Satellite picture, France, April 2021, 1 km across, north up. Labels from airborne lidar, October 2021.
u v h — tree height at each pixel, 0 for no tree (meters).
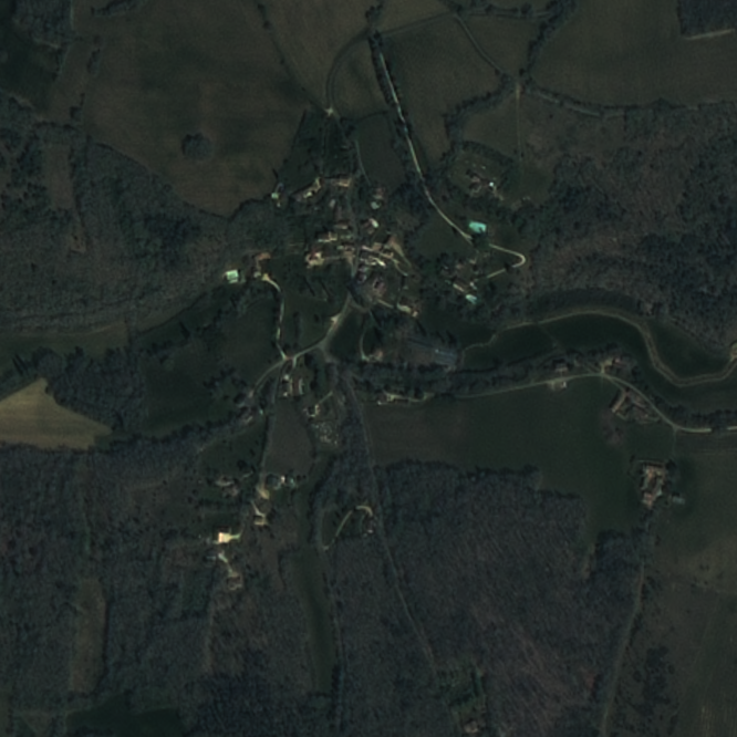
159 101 0
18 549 14
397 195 8
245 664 13
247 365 0
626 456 0
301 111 0
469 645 17
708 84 0
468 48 0
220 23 0
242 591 0
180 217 15
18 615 7
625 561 24
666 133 10
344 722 12
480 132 0
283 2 0
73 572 19
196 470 10
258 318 0
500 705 20
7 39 0
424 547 22
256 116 0
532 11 16
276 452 0
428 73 0
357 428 13
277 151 0
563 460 0
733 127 9
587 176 10
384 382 5
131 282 7
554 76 0
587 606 20
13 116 20
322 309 0
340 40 0
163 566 12
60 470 14
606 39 0
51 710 17
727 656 0
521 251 0
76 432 0
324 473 0
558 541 17
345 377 17
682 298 6
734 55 0
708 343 11
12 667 9
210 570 8
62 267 13
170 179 0
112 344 0
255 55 0
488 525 24
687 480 0
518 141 0
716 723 0
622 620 20
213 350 9
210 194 0
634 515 0
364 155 0
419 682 18
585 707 22
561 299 7
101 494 17
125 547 9
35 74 0
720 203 11
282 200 15
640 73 0
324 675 0
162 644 21
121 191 14
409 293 0
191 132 0
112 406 13
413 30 0
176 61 0
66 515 8
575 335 0
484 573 23
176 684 23
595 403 0
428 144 0
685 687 0
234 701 19
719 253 15
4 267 9
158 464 16
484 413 0
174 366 15
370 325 11
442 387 18
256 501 12
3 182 0
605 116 8
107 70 0
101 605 0
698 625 0
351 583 13
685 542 0
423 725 11
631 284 14
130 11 10
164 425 0
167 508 0
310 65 0
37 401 0
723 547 0
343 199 11
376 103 0
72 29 8
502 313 14
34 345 0
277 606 16
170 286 12
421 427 0
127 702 14
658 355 0
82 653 0
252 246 10
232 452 7
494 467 0
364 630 18
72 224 13
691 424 8
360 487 16
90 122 0
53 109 0
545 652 23
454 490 24
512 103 0
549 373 8
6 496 8
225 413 0
